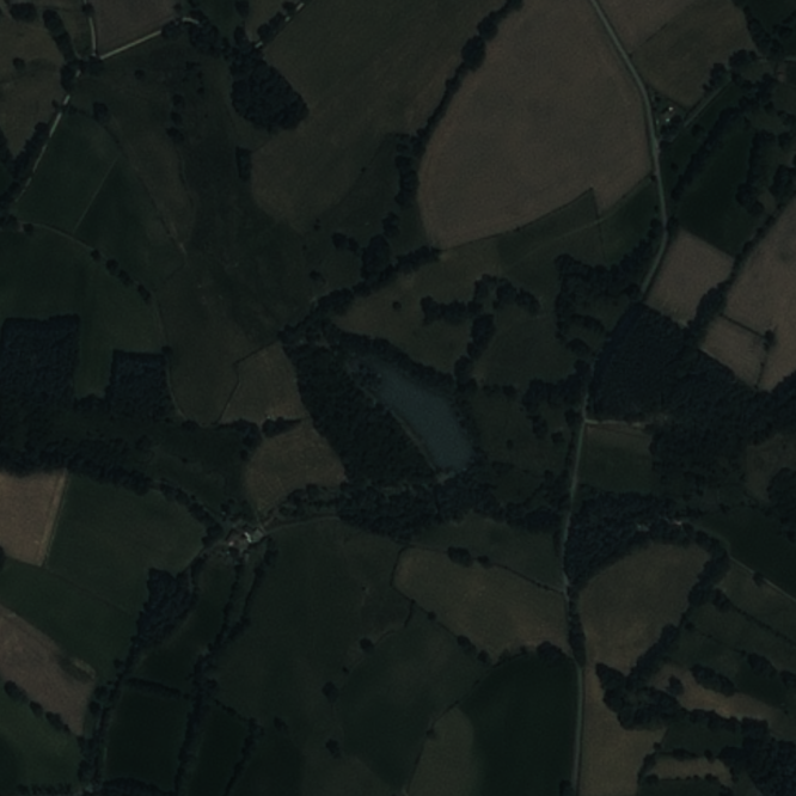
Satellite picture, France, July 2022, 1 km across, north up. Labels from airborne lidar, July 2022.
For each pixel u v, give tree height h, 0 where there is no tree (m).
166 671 0
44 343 25
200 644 0
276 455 0
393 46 0
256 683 0
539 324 0
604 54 0
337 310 18
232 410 0
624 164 0
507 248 0
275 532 0
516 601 0
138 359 17
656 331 25
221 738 0
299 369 8
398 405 0
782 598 0
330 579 0
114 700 13
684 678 0
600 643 0
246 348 0
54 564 0
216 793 0
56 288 0
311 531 0
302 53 0
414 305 0
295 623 0
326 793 0
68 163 0
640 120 0
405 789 0
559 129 0
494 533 0
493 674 0
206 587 0
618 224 0
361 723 0
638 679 18
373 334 0
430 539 0
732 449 14
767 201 0
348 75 0
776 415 23
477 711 0
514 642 0
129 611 0
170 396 8
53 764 0
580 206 0
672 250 0
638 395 23
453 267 0
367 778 0
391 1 0
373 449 10
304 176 0
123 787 17
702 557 0
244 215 0
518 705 0
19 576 0
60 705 0
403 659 0
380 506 25
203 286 0
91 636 0
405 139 8
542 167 0
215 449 0
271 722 0
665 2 0
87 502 0
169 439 0
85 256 0
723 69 18
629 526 16
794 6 0
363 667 0
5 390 18
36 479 0
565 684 0
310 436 0
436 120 9
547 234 0
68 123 0
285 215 0
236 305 0
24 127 0
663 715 22
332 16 0
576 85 0
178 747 0
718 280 0
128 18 0
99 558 0
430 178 0
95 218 0
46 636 0
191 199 0
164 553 0
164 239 0
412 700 0
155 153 0
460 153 0
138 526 0
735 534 0
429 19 0
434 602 0
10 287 0
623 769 0
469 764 0
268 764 0
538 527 19
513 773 0
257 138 0
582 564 23
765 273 0
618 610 0
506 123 0
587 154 0
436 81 0
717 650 0
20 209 0
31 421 6
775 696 0
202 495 0
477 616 0
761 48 21
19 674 0
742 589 0
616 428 0
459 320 15
